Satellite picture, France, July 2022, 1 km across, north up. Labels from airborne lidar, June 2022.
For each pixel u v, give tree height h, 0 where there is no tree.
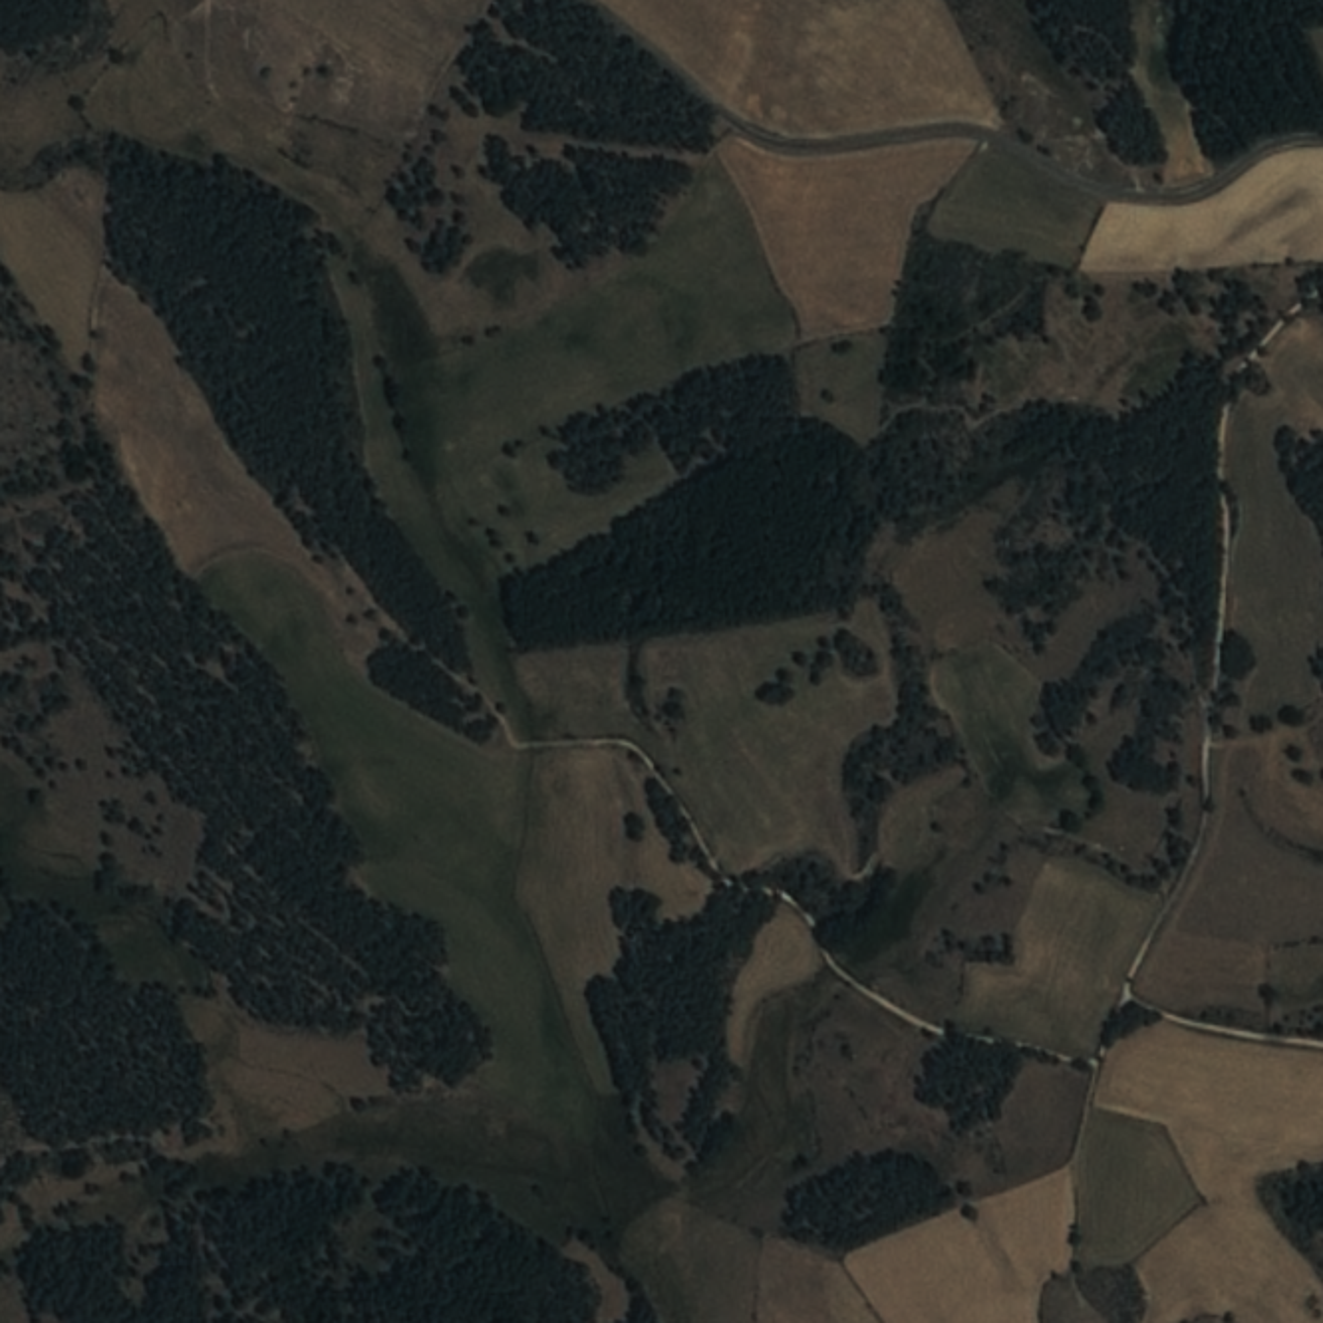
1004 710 0
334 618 0
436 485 0
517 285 0
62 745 0
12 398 0
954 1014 0
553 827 0
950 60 0
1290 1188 9
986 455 9
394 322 0
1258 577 0
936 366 7
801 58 0
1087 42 14
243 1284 18
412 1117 0
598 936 0
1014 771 0
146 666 18
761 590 18
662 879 0
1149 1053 0
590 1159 0
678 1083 0
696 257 0
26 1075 24
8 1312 0
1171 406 17
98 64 0
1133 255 0
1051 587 9
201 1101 13
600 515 0
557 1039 0
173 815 0
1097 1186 0
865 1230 17
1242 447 0
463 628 10
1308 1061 0
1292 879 0
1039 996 0
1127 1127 0
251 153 0
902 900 0
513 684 0
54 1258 23
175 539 0
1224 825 0
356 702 0
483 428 0
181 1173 19
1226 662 13
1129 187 0
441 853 0
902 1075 0
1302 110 21
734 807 0
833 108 0
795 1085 0
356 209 0
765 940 0
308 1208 15
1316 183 0
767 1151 0
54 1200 0
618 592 11
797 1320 0
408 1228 19
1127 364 0
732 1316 0
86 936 16
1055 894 0
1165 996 0
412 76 0
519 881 0
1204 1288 0
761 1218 0
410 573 19
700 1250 0
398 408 12
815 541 16
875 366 0
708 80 0
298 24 0
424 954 18
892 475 13
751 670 0
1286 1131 0
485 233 0
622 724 0
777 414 15
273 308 21
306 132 0
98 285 0
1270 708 0
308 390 19
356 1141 0
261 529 0
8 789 0
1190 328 0
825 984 0
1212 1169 0
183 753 19
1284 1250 0
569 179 26
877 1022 0
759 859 0
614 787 0
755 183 0
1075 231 0
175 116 0
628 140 16
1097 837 0
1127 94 12
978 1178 0
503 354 0
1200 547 18
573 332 0
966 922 0
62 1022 19
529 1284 18
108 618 19
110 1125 18
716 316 0
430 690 15
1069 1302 0
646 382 0
